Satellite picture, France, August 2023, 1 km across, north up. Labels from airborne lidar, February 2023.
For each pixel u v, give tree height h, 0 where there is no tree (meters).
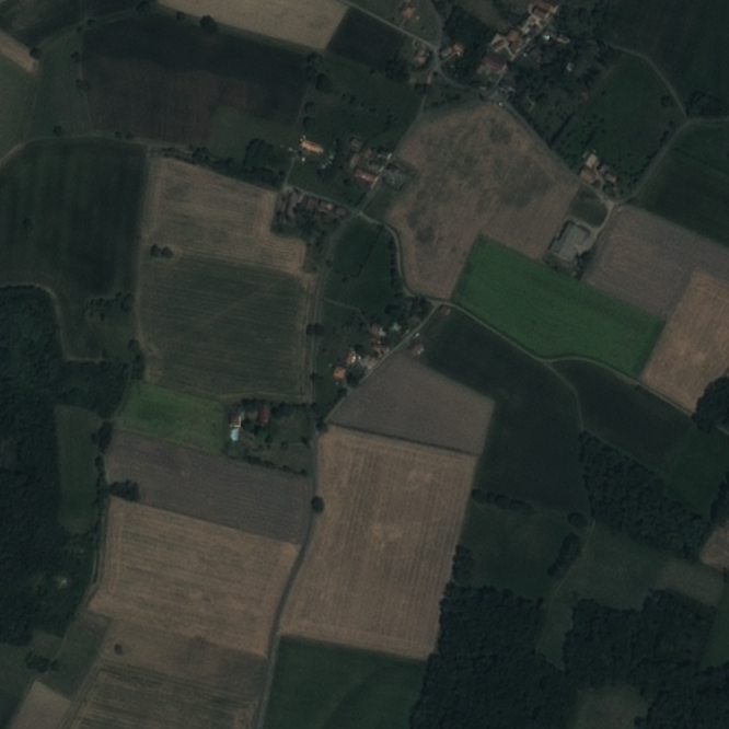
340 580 0
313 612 0
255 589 0
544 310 0
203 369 0
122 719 0
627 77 0
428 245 0
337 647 0
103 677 0
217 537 0
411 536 0
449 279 0
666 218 0
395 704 0
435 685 23
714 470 0
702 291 0
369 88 0
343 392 9
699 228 0
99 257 0
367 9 0
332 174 17
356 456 0
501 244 0
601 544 0
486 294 0
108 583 0
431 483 0
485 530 0
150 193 0
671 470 0
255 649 0
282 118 0
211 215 0
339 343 0
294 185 0
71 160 0
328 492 0
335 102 0
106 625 0
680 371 0
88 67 0
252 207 0
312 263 0
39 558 9
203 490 0
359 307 0
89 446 0
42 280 0
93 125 0
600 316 0
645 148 0
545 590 0
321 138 0
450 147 0
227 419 0
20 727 0
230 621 0
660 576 0
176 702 0
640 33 0
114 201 0
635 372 0
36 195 0
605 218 0
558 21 9
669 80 0
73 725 0
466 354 0
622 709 0
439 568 0
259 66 0
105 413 12
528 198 0
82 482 0
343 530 0
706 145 0
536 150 0
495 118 0
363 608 0
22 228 0
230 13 0
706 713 25
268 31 0
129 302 12
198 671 0
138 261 0
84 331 0
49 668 8
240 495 0
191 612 0
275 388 0
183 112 0
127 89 0
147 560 0
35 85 0
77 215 0
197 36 0
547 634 0
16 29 0
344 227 0
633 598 0
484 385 0
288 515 0
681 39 0
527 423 0
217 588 0
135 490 12
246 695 0
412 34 0
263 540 0
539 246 0
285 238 0
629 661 17
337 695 0
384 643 0
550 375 0
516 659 26
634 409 0
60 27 0
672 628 24
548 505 0
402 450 0
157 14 0
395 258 10
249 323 0
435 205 0
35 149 0
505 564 0
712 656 0
